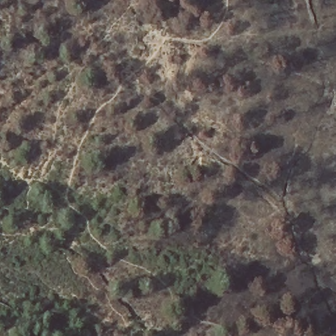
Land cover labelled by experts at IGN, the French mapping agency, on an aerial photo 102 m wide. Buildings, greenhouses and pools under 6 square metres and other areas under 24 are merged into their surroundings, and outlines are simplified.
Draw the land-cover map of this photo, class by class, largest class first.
<instances>
[{"label":"bare soil","instance_id":"1","mask_svg":"<svg viewBox=\"0 0 336 336\"><path fill-rule=\"evenodd\" d=\"M66 0H0V10L22 5L25 10L22 16L24 22L33 20L34 13L39 10L41 14H45V29L54 24L56 18L71 20V33L77 38L79 45L83 46L87 39L91 43V47L83 54L80 66L71 60L60 66L58 71H67V76L63 80H55L52 67H55L56 60L52 59L43 63L45 75L37 77L31 85L28 84L31 76L22 71L0 81V105L12 104L14 80H24L22 85L31 92L30 96L21 101L0 125V164L8 161L9 156H13L12 150H16L22 142L28 143V150L25 152L28 165L17 167L14 161H9L5 168L9 169L13 178H20L26 184L31 181L43 182L49 178L46 168L51 159L60 161L62 156L73 157L76 150L83 146L85 139L88 138L92 142L94 138L100 139L98 157L104 164L102 168L105 172L102 173V178H97L96 190L109 197L112 196L110 190L118 186L119 189H127V199L136 198L138 201L146 202L143 209V230L150 240H159L163 232L161 223L167 222L168 218L175 215L181 232L192 226L190 213L194 209L193 205H199L203 194H211L215 210L207 224L205 240H201L199 245L206 252V257L213 255L214 259L223 261L230 285L220 295V302L207 308L206 319L202 320L198 327L190 328L186 336H265L260 331H249L245 327V322L252 318V308L259 306L265 311L266 307L274 303L281 306L283 293L290 294L291 298L310 299L312 314L327 327L325 331L329 336H336V0H224V7L219 12L209 13V20L217 24L213 30L203 33L202 38L190 39L169 35L165 21L161 22L160 30L151 24L139 25L136 18L142 16V8L147 0H110L98 10H89L87 16H84L83 12L68 13L64 5ZM93 54L100 56V60L112 62L114 75L118 77L122 91L115 98L114 104L106 105L101 112L94 110L96 119L93 123L89 122L87 131H84L81 123L77 121L76 112L87 109L91 100L93 89L88 87V81L91 80L92 71L88 62L89 56ZM224 75L230 77L235 92L241 89L243 98L255 96L261 91L272 93L270 101H260L240 117L239 142L245 143V148L238 165L232 169L234 181L227 185L222 184L224 176L218 163L220 160L227 163L230 161L220 154L217 146L218 143H224L223 133L226 125L222 118L230 112V108H219L218 105L211 104L206 97L201 101L192 98L186 102L184 108H178L176 105L178 94L193 88V83L197 79L205 87L213 85L215 93L223 96L220 81H223ZM52 91H64L67 94L56 102L55 122L45 123V115L35 112V106L38 101L49 102ZM270 222L282 224L283 232L291 241V247L297 252L294 260L283 269L282 261L278 259L272 245L265 238V227ZM106 273L118 282V285L139 274L157 276L155 270L148 269L147 265L134 264L122 259L114 266L106 268ZM133 306L135 314L143 319L147 328L161 331L168 325L173 304L180 303V298L173 294L171 287H168L157 291L154 297H131L127 302Z\"/></svg>","mask_w":336,"mask_h":336},{"label":"coniferous trees","instance_id":"2","mask_svg":"<svg viewBox=\"0 0 336 336\"><path fill-rule=\"evenodd\" d=\"M110 0H66L64 5L68 13L83 12L84 16H87L89 10H98ZM224 7V0H147L142 8V16L136 18L139 25L151 24L160 30L161 22L165 21L169 35L190 39L202 38L203 33L213 30L217 24L209 20V13L219 12ZM25 10L22 5L0 10V81L22 71L31 76L28 84L31 85L37 77L45 75L43 63L52 59L56 60L55 67H52L55 80H63L67 76V71H58L60 66L71 60L80 66L83 54L91 47V43L87 39L83 46L79 45L77 38L71 33V20L56 18L54 24L45 29V14H41L39 10L34 13L33 20L24 22L22 16ZM92 71L91 80L88 81V87L93 89L91 100L87 109L76 112L77 121L81 123L84 131H87L89 122L93 123L96 119L94 110L101 112L106 105L114 104L115 98L122 91L118 77L114 75L112 62L100 60V56L93 54L89 56L88 62ZM223 96L215 93L213 85L205 87L197 79L193 83V88L178 94L176 105L178 108H184L186 102L192 98L201 101L206 97L211 104L218 105L219 108H230V112L222 118L226 125L223 133L224 143H218L217 146L220 154L230 161L227 163L220 160L218 163L224 176L222 184L227 185L234 181L232 169L238 165L245 148V143L239 142L240 117L260 101H270L272 93L261 91L255 96L243 98L241 89L235 92L230 77L224 75L223 81H220ZM24 80H14L12 104L0 105V125L21 101L30 96L31 92L22 85ZM67 94L64 91H52L49 102L38 101L35 106V112L45 115V123L55 122L56 102ZM100 139L94 138L92 142L88 138L85 139L83 146L76 150L73 157L62 156L60 161L51 159L46 168L49 178L43 182L31 181L26 184L20 178H13L9 169L5 168L9 161H14L17 167L28 165L25 152L28 150V143L22 142L16 150H12L13 156H9L8 161L0 164V336H186L190 328L198 327L202 320L206 319L207 308L220 302V295L230 285L223 261L214 259L213 255L206 257V252L199 245L201 240H205L207 224L215 210L211 194H203L199 205H193L194 209L190 213L192 226L181 232L175 215L168 218L167 222L161 223L163 232L159 240H150L143 230V209L146 202L138 201L136 198L127 199V189H119L118 186L110 190L112 196L109 197L96 190L97 178H102V173L105 172L102 168L104 164L98 157ZM122 259L134 264L147 265L148 269L155 270L157 276L139 274L118 285V282L106 273V268L114 266ZM168 287H171L173 294L180 298V303L173 304L168 325L161 331L147 328L143 319L135 314L133 306L127 302L131 297H154L157 291ZM265 238L272 245L278 259L282 261L283 269L294 260L297 252L291 247V241L283 232L282 224L270 222L265 227ZM252 318L245 322V327L249 331H260L265 336H329L325 331L327 327L312 314L310 299L291 298L290 294L283 293L281 306L274 303L266 307L265 311L259 306L252 308Z\"/></svg>","mask_w":336,"mask_h":336}]
</instances>
